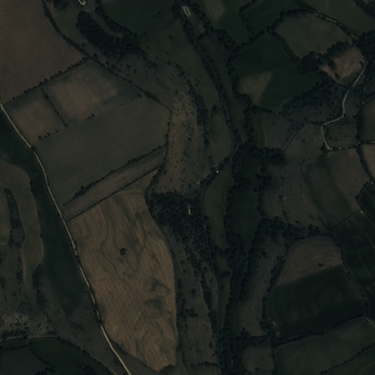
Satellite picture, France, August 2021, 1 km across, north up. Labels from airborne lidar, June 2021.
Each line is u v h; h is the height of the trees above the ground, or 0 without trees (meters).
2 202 0
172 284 0
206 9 0
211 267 11
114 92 0
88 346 0
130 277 0
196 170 0
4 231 0
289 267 0
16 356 0
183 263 9
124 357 0
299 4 12
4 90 0
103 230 0
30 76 0
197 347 0
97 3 10
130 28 0
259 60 0
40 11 0
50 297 0
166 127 0
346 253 0
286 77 0
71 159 0
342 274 0
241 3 0
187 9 0
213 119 0
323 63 15
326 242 0
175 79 0
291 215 0
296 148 0
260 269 0
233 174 13
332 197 0
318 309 0
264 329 10
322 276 0
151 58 0
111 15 0
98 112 0
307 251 0
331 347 0
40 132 0
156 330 0
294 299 0
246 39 0
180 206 8
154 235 0
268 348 0
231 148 0
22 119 0
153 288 0
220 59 0
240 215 0
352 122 0
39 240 0
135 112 0
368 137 0
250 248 0
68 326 0
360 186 0
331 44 0
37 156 6
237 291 15
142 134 0
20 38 0
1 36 0
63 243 0
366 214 7
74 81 0
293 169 0
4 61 0
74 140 0
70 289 0
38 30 0
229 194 13
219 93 7
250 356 0
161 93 0
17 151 0
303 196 0
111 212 0
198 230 16
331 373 0
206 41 0
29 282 0
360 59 0
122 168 0
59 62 0
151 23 0
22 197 0
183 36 0
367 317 7
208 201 0
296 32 0
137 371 0
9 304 0
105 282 0
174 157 0
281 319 0
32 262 0
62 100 0
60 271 0
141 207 0
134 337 0
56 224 0
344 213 0
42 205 0
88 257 0
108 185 0
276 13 0
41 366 0
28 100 0
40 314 0
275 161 17
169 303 0
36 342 0
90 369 9
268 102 0
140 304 0
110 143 0
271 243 0
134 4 0
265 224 20
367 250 0
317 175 0
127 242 0
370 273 0
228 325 15
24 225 0
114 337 0
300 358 0
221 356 9
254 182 0
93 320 0
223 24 0
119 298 0
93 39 13
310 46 0
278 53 0
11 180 0
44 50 0
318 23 0
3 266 0
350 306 0
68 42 13
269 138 0
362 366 0
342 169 0
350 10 0
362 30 0
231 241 17
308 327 0
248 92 0
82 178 0
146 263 0
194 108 0
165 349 0
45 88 0
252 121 9
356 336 0
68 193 0
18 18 0
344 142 0
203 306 0
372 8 8
